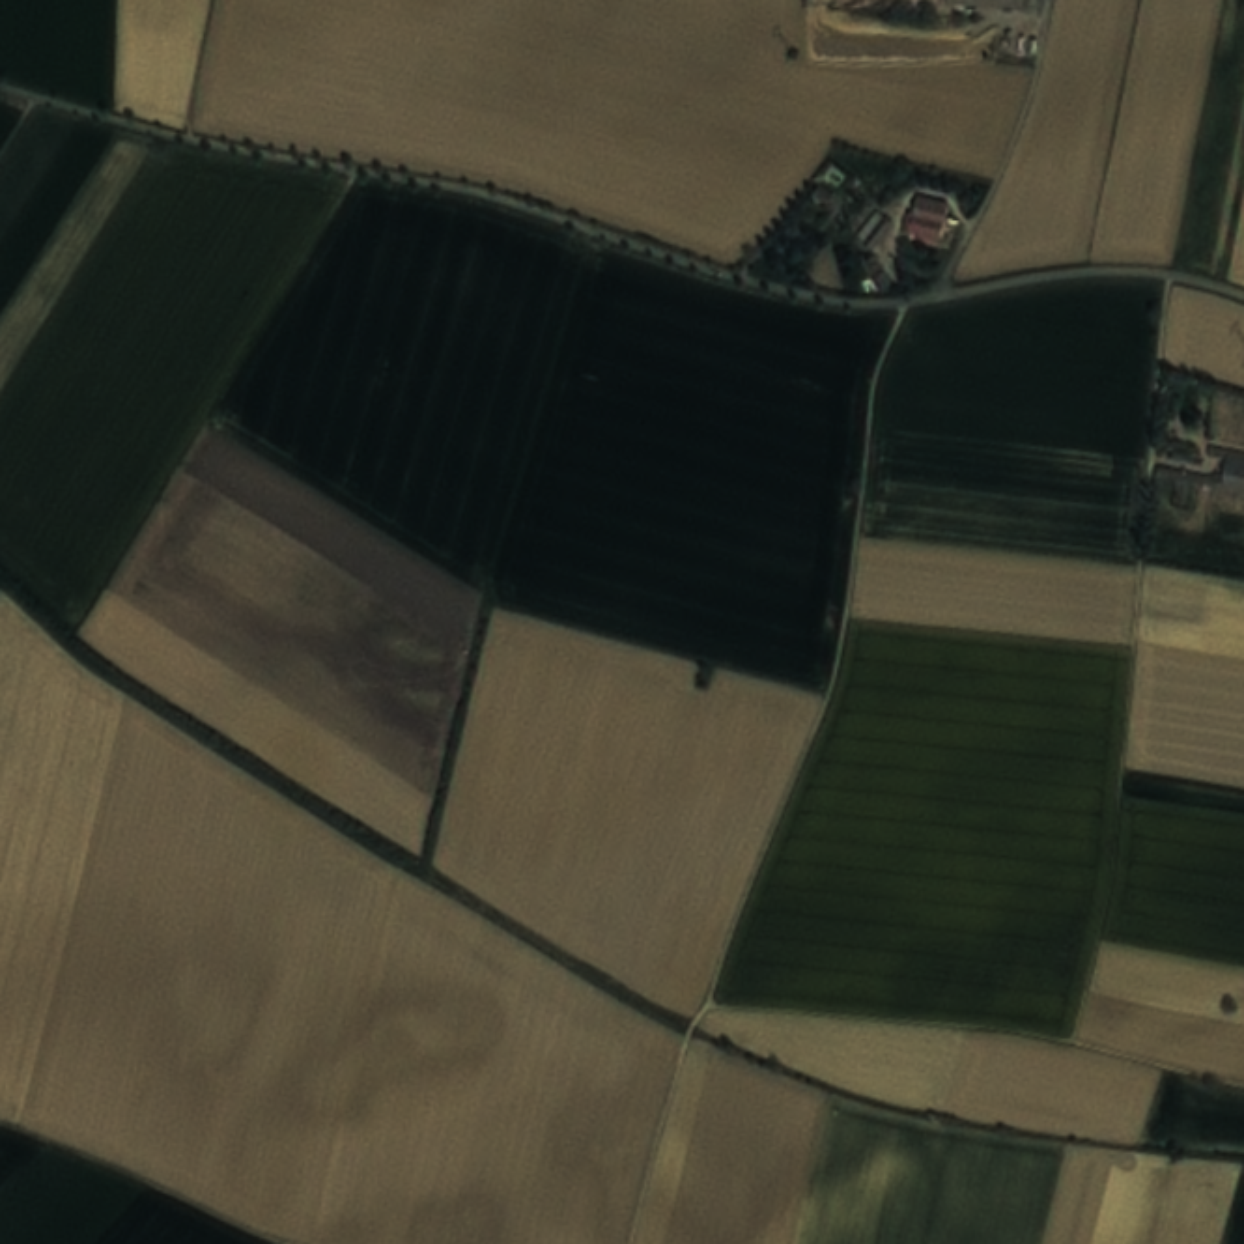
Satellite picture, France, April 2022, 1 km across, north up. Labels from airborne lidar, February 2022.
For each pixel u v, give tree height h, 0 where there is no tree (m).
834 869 0
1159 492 12
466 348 0
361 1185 0
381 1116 0
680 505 0
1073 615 0
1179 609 0
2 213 0
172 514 0
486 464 0
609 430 0
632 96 0
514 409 0
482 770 0
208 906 0
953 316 0
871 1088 0
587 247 0
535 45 0
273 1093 0
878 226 0
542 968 0
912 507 0
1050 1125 0
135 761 0
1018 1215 0
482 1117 0
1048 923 0
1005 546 0
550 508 0
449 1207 0
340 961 0
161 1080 0
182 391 0
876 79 0
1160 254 0
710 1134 0
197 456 0
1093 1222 0
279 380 0
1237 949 0
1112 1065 0
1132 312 0
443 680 0
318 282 0
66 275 0
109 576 0
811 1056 0
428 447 0
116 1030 0
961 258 0
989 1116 0
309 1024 0
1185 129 0
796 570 0
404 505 0
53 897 0
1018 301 0
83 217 0
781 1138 0
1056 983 0
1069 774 0
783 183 0
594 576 0
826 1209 0
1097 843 0
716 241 0
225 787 0
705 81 0
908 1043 0
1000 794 0
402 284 0
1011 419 0
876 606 0
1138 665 0
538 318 0
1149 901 0
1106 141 0
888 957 0
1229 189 0
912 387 0
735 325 0
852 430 0
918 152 0
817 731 0
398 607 0
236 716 0
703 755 0
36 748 0
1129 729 0
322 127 0
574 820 0
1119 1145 0
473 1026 0
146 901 0
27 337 0
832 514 0
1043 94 0
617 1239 0
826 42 0
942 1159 0
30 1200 0
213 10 0
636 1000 0
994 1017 0
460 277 0
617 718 0
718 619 0
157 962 0
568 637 0
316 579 0
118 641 0
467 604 0
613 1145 0
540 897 0
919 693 0
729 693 0
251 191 0
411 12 0
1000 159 0
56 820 0
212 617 0
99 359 0
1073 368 0
